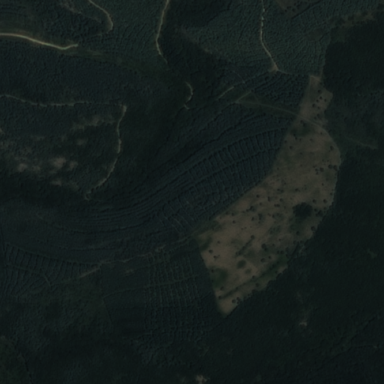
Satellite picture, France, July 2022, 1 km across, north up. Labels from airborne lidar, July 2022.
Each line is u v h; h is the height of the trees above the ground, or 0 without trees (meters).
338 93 12
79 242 14
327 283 15
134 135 17
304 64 11
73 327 13
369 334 13
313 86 0
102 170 12
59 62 14
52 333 17
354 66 20
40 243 13
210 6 16
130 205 9
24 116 15
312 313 11
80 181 16
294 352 16
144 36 12
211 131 12
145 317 11
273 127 16
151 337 19
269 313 20
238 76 18
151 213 10
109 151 12
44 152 11
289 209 0
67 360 24
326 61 9
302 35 9
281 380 19
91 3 8
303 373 18
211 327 14
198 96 18
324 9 11
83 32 10
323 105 0
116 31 12
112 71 14
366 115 11
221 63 15
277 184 0
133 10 10
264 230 0
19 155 9
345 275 17
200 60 22
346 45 10
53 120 9
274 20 13
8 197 16
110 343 10
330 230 13
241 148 13
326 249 16
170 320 10
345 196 9
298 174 0
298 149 0
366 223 8
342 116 6
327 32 11
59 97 9
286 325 15
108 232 9
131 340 11
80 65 15
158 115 15
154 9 10
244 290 0
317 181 0
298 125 0
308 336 11
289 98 15
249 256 0
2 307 9
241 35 10
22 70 17
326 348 7
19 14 7
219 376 17
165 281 12
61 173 11
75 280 7
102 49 15
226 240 0
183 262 9
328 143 0
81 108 11
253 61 9
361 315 17
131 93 11
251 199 0
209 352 9
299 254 14
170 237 8
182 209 12
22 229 14
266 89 15
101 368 12
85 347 25
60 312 16
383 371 12
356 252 16
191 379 8
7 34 0
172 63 21
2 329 11
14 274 15
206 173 16
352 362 14
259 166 14
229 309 0
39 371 23
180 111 14
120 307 16
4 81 16
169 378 13
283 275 13
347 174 14
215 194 13
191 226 13
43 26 10
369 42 11
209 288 12
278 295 12
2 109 13
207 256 0
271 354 20
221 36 11
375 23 6
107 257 13
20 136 16
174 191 12
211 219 12
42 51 12
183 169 16
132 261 9
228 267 0
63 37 20
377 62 12
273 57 10
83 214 15
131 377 13
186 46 21
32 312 16
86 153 13
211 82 7
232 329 17
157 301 14
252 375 22
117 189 19
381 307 15
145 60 15
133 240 9
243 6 9
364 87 19
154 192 8
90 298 7
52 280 16
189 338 17
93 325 8
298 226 0
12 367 6
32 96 13
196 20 10
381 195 12
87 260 15
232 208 0
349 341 14
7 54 15
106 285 12
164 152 19
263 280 0
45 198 17
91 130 13
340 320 16
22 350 20
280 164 0
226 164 16
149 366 14
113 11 11
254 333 19
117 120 12
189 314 14
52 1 12
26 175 6
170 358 9
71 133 9
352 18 8
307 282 12
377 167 13
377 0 12
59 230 17
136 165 12
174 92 11
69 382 13
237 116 12
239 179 14
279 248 0
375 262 11
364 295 13
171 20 17
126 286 11
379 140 7
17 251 15
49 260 17
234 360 18
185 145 10
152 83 12
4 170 12
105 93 16
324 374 14
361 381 17
